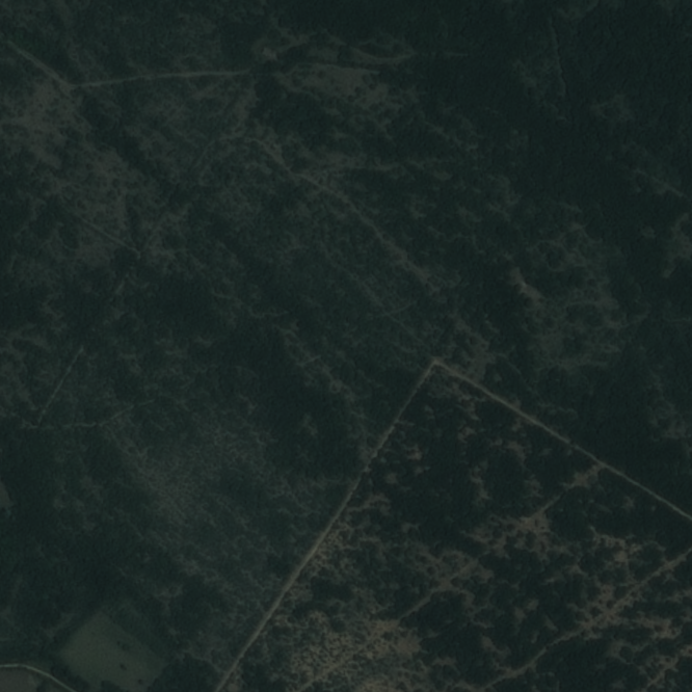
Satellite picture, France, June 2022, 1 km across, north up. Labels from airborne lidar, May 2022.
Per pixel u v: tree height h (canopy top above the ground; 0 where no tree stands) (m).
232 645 5
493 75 10
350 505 6
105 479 8
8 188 7
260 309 7
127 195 6
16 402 5
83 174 0
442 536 8
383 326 6
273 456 7
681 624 8
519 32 7
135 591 7
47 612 12
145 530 6
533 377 9
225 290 8
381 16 9
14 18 6
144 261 6
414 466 8
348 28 9
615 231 10
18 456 11
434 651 9
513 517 7
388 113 9
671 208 13
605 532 6
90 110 8
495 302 7
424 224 6
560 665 7
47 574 8
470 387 7
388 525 7
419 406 8
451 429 9
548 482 10
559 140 11
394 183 7
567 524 9
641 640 9
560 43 10
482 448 8
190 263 8
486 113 8
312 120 8
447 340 7
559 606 8
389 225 7
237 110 0
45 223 9
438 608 9
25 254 7
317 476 7
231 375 7
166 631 6
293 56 10
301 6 9
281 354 8
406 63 6
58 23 9
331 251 7
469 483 7
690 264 7
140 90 7
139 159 10
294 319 6
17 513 11
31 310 11
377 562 7
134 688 0
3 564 8
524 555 10
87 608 6
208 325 8
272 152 0
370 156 6
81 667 0
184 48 7
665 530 8
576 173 9
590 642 8
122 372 7
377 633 0
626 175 8
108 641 0
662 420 8
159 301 10
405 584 9
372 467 7
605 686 6
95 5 8
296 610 8
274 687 10
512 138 8
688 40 9
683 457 10
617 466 8
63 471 7
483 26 14
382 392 7
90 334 8
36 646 7
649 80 13
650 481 9
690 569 9
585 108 9
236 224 6
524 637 9
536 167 10
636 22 13
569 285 7
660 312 8
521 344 8
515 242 6
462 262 7
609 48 12
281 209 9
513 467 8
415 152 7
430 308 7
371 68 8
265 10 9
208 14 7
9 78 7
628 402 10
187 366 8
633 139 11
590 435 9
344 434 5
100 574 9
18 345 9
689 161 11
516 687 12
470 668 6
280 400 7
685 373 11
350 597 7
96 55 7
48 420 8
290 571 7
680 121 11
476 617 7
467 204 6
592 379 8
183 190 7
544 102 8
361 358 8
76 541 9
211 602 9
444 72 7
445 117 6
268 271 9
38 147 0
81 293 7
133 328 6
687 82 12
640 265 13
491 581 9
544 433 8
